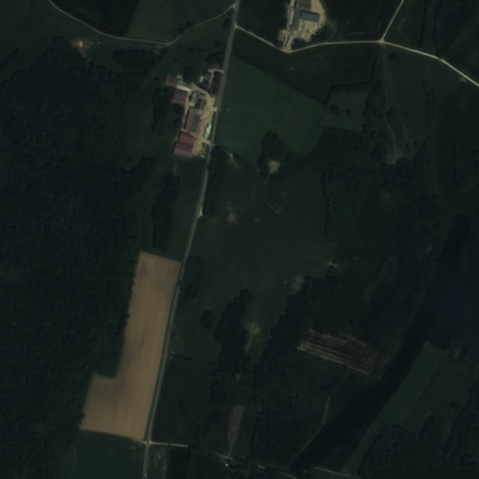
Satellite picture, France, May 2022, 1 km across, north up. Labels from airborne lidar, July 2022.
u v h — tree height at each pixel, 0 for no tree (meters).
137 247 21
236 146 0
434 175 19
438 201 20
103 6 0
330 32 12
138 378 0
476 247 0
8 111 18
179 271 0
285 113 0
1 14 0
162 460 0
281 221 0
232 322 21
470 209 0
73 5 0
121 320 16
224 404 19
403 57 0
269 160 11
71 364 22
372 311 0
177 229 0
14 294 14
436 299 0
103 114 25
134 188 19
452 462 21
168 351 0
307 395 15
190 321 0
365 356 0
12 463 20
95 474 0
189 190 0
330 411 0
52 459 23
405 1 0
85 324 21
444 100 0
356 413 0
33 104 12
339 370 14
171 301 0
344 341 0
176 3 0
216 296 0
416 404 0
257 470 15
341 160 14
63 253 17
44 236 14
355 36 0
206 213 21
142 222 0
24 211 16
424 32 15
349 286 0
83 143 26
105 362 17
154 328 0
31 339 12
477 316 0
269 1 0
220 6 0
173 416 0
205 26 0
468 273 0
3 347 14
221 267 0
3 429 13
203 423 0
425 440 18
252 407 0
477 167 15
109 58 0
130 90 11
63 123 24
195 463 0
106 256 24
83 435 0
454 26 18
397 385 0
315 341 0
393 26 0
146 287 0
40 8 0
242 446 0
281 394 24
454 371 0
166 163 0
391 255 0
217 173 17
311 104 0
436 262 13
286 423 18
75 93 25
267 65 0
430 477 11
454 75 0
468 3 17
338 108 18
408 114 0
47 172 18
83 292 25
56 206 16
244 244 0
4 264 18
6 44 0
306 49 0
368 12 0
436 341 0
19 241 16
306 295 18
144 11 0
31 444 18
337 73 0
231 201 0
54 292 21
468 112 0
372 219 0
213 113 0
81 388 18
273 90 0
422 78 0
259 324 0
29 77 21
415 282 0
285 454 23
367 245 0
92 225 18
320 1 0
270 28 0
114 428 0
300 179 0
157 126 18
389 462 16
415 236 0
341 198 21
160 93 16
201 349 0
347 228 21
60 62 20
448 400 0
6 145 17
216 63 6
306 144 0
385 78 0
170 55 0
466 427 27
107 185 26
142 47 0
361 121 0
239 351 22
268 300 0
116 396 0
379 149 11
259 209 0
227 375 18
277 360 20
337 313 0
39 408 21
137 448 0
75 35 0
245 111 0
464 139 0
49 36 0
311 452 0
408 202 0
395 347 0
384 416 0
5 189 20
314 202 0
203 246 0
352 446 0
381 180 0
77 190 14
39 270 19
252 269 0
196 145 0
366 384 0
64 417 25
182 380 0
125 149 19
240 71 0
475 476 12
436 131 0
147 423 0
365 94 0
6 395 18
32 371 20
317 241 0
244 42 0
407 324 0
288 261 0
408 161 11
